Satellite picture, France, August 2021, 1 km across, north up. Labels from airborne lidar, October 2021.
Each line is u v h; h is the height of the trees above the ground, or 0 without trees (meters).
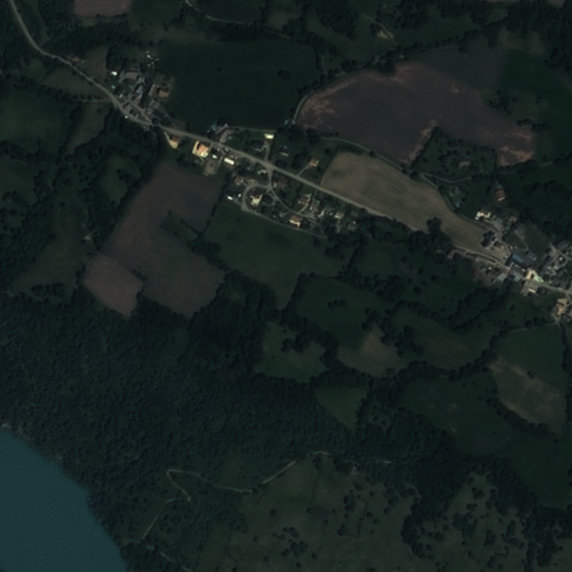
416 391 0
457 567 0
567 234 11
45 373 13
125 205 14
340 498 0
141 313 8
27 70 0
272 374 0
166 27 9
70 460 10
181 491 6
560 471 0
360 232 9
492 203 0
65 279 0
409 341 22
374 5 0
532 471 0
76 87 0
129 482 13
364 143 0
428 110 0
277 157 0
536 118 0
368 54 0
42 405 13
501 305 12
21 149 14
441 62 0
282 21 0
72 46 16
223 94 0
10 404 13
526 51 0
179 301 0
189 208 0
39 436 8
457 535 0
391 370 6
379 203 0
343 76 0
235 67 0
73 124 6
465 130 0
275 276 0
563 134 0
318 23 0
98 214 14
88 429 11
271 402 13
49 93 15
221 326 23
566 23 12
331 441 13
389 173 0
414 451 12
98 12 0
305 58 0
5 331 12
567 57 12
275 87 0
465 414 0
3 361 13
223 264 14
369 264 0
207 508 5
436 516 12
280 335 0
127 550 9
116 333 7
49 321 16
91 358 14
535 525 9
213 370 9
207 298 0
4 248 16
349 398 0
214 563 0
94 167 6
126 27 8
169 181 0
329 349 17
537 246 0
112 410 12
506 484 21
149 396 13
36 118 0
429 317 22
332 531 0
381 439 13
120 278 0
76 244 0
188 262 0
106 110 0
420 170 13
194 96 0
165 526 8
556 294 0
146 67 6
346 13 12
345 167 0
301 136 18
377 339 0
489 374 21
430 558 9
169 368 7
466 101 0
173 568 11
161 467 18
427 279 0
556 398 0
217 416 13
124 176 13
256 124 0
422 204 0
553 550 9
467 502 0
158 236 0
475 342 0
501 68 0
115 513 12
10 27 11
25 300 16
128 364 11
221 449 8
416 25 14
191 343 8
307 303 0
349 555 0
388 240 22
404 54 12
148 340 13
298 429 10
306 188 0
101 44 21
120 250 0
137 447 10
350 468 14
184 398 6
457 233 0
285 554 7
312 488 0
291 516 0
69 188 22
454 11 20
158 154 10
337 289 0
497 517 0
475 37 15
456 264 8
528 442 0
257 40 29
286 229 0
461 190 9
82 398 12
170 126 7
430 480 18
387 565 0
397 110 0
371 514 9
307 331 20
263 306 19
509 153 0
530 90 0
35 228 17
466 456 8
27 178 0
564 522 10
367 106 0
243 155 0
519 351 0
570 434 0
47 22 11
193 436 7
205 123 0
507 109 9
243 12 0
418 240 21
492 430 0
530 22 18
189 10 11
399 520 0
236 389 16
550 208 0
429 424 13
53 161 11
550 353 0
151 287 0
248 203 0
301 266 0
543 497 0
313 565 0
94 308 11
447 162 6
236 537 0
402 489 13
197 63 0
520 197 0
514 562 0
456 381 18
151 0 0
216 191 0
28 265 15
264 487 9
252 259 0
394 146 0
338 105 0
